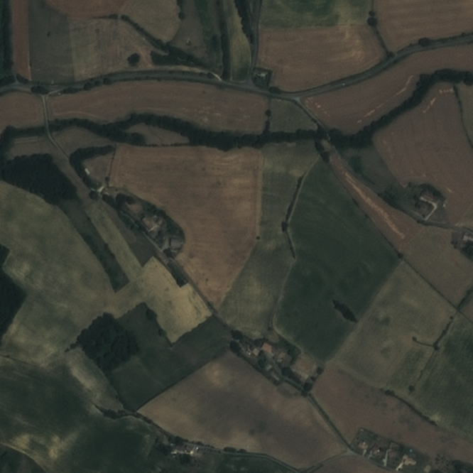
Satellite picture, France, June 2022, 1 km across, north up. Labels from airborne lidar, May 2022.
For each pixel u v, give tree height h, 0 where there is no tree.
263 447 0
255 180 0
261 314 0
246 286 0
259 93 0
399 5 0
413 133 0
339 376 0
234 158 0
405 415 0
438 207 0
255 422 0
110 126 16
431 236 0
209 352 0
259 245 0
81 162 9
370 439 0
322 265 0
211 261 0
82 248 0
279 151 0
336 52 0
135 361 0
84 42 0
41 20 0
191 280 0
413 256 0
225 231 0
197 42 0
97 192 14
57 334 0
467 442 0
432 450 0
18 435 0
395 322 0
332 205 0
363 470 0
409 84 0
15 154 0
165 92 0
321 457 0
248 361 7
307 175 0
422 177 0
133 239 0
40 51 0
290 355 10
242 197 0
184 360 0
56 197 15
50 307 0
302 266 0
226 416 0
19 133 9
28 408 0
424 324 0
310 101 0
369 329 0
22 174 20
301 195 0
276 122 0
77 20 0
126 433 0
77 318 0
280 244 0
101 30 0
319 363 0
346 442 7
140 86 0
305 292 0
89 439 0
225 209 0
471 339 0
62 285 0
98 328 18
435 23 0
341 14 0
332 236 0
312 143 0
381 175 0
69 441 0
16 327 0
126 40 0
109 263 0
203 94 0
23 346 0
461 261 0
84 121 8
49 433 0
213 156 0
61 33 0
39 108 0
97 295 0
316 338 0
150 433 0
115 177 0
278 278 0
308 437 0
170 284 0
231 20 0
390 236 0
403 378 0
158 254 0
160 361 0
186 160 0
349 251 0
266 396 0
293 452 0
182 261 0
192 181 0
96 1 0
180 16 10
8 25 14
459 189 0
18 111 0
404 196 0
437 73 11
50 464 0
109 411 8
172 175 0
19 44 0
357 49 0
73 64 0
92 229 0
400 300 0
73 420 0
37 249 0
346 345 0
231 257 0
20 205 0
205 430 0
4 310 16
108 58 0
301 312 0
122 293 0
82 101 0
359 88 0
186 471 0
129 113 0
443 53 0
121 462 0
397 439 0
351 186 0
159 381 0
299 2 0
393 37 0
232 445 0
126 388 0
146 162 0
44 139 0
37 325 0
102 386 0
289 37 0
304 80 0
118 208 13
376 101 0
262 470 0
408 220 0
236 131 0
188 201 0
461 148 0
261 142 16
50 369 0
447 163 0
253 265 0
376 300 0
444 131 0
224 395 0
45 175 17
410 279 0
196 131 12
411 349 0
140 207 0
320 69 0
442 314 0
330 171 0
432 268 0
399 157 0
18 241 0
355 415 0
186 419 0
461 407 0
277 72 0
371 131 15
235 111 0
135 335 9
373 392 0
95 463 0
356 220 0
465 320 0
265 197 0
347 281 0
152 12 0
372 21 23
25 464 0
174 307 0
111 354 14
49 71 0
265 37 0
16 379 0
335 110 0
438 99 0
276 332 0
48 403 0
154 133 0
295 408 0
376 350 0
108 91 0
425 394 0
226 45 16
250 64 0
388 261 0
